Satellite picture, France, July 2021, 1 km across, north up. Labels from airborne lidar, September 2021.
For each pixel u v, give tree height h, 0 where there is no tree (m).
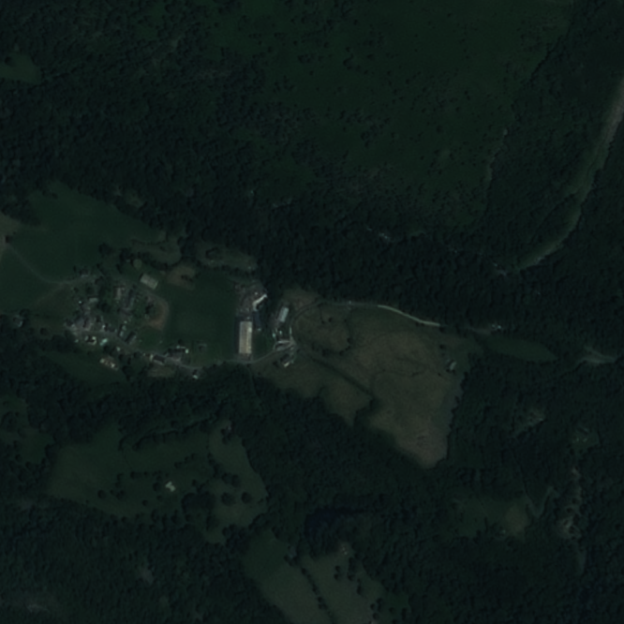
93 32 17
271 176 9
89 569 9
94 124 17
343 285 16
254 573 0
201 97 9
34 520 20
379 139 16
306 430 10
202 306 0
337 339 0
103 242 0
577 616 23
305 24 14
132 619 11
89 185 7
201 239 13
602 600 29
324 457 12
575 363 9
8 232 0
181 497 0
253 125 14
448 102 12
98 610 11
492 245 17
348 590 0
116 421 14
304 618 0
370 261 15
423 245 16
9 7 19
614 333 23
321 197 18
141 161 20
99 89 8
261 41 8
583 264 11
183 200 22
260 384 18
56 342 12
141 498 0
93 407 32
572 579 21
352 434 9
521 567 10
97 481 0
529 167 14
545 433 11
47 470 22
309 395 0
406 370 0
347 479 11
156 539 12
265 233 17
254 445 12
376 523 8
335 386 0
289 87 11
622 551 22
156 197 19
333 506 16
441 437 0
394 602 0
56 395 27
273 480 11
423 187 11
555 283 21
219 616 19
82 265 0
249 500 17
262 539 8
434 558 17
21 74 0
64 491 0
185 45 14
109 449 0
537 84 16
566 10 6
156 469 0
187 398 21
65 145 17
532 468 18
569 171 12
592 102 8
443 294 24
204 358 0
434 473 7
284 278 21
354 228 31
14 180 20
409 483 15
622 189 14
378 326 0
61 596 8
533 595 24
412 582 23
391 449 8
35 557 6
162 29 14
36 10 8
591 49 10
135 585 12
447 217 13
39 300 0
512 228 15
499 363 11
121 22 20
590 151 7
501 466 9
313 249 10
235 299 0
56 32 23
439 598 13
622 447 19
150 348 0
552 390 12
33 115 21
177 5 18
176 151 12
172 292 0
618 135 9
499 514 0
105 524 7
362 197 10
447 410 0
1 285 0
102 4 10
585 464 17
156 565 19
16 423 9
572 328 11
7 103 24
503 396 7
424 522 8
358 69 16
